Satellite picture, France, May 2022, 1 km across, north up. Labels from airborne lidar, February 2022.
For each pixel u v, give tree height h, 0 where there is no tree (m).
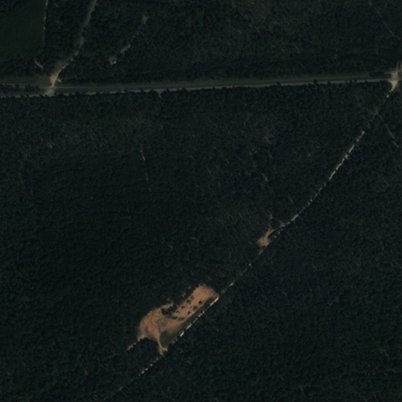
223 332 20
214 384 28
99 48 25
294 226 20
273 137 28
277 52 24
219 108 20
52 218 21
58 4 22
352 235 13
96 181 16
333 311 21
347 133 27
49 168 17
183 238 18
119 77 8
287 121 27
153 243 15
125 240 17
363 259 24
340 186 26
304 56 16
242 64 9
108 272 19
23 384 27
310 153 26
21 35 0
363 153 26
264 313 17
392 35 23
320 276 24
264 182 26
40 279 21
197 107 20
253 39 28
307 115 28
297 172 28
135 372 14
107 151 22
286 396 24
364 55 13
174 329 0
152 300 13
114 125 24
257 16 24
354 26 22
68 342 25
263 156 26
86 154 14
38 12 0
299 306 18
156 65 8
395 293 29
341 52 13
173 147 19
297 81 0
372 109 26
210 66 9
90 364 26
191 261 16
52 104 24
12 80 0
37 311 27
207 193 18
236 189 25
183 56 20
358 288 22
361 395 22
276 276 16
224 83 0
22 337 23
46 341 28
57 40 19
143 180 17
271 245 17
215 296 0
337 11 10
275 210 24
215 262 17
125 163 16
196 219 18
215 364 20
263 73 24
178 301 17
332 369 19
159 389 25
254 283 18
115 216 17
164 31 22
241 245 17
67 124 28
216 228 15
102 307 20
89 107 26
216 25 31
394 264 26
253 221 17
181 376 28
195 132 18
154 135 15
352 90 26
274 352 19
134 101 26
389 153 29
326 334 16
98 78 8
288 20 25
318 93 30
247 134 25
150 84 0
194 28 22
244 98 13
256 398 26
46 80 0
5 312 21
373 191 22
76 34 26
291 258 19
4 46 0
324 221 13
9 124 27
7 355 23
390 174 8
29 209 24
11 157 28
